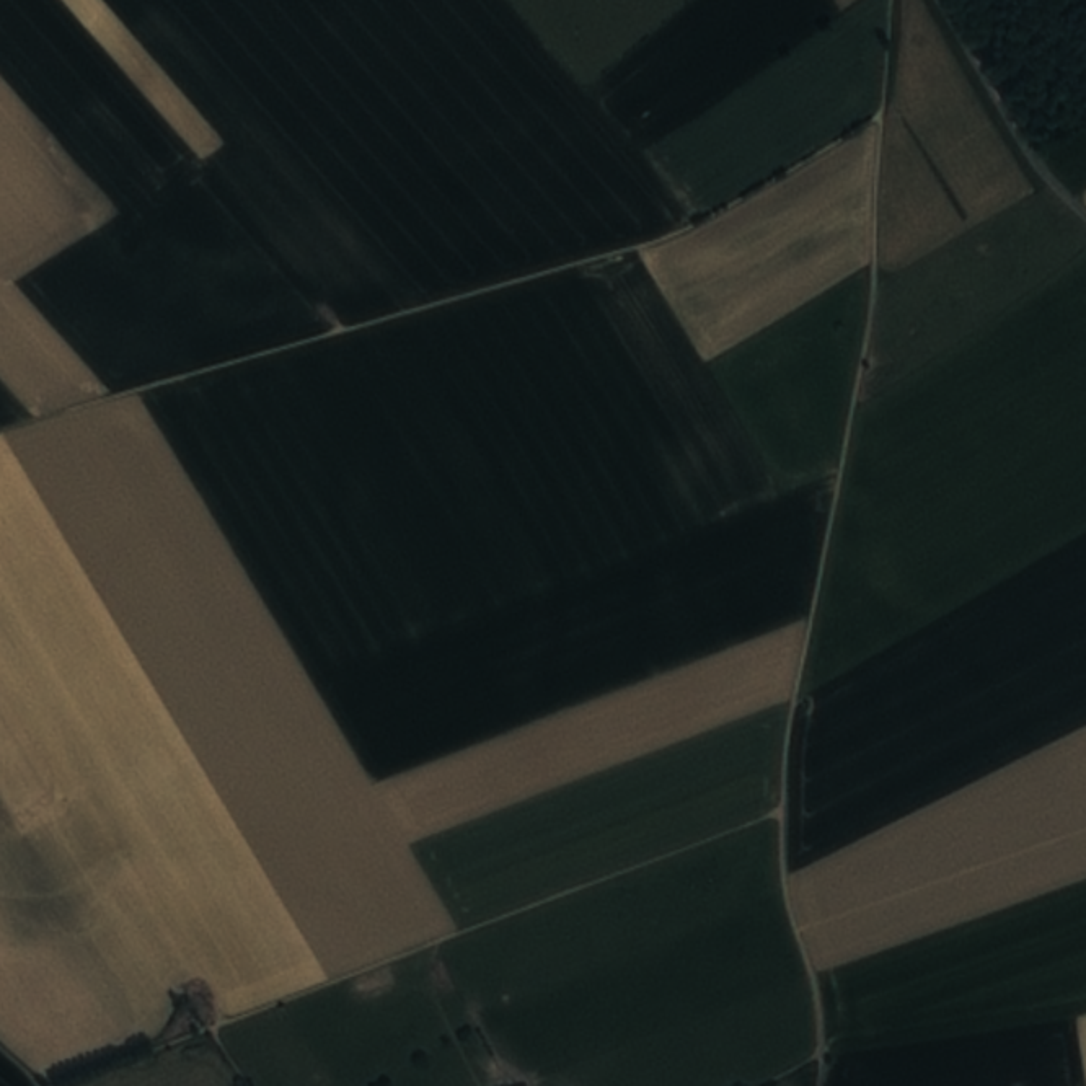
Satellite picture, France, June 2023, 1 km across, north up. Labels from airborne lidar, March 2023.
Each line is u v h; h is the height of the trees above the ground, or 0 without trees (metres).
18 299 0
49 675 0
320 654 0
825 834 0
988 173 0
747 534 0
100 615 0
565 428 0
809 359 0
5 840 0
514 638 0
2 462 0
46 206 0
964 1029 0
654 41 0
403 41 0
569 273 0
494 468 0
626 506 0
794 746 0
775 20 0
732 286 0
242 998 0
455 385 0
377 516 0
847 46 0
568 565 0
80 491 0
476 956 0
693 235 0
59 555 0
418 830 0
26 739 0
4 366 0
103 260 0
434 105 0
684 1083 0
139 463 0
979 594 0
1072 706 0
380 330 0
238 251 0
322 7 0
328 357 0
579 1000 0
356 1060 0
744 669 0
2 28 0
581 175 0
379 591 0
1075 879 0
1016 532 0
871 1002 0
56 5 0
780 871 0
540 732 0
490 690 0
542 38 0
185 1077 0
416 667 0
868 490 0
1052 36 30
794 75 0
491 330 0
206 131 0
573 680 0
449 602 0
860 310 0
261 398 0
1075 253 0
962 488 0
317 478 0
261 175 0
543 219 0
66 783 0
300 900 0
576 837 0
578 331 0
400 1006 0
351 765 0
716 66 0
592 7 0
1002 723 0
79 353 0
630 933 0
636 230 0
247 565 0
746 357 0
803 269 0
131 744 0
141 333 0
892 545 0
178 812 0
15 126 0
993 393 0
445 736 0
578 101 0
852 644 0
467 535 0
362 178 0
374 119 0
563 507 0
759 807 0
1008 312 0
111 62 0
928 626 0
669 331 0
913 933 0
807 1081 0
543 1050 0
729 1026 0
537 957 0
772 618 0
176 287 0
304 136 0
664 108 0
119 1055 18
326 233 0
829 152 0
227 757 0
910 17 0
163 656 0
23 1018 0
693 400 0
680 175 0
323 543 0
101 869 0
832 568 0
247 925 0
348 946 0
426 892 0
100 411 0
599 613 0
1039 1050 0
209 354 0
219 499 0
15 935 0
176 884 0
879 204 0
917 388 0
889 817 0
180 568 0
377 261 0
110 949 0
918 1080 0
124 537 0
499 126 0
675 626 0
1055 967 0
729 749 0
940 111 0
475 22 0
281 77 0
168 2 0
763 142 0
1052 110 30
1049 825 0
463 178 0
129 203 0
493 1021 0
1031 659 0
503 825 0
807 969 0
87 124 0
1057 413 0
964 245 0
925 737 0
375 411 0
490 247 0
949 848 0
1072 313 0
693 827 0
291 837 0
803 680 0
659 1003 0
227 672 0
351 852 0
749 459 0
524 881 0
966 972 0
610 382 0
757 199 0
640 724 0
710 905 0
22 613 0
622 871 0
